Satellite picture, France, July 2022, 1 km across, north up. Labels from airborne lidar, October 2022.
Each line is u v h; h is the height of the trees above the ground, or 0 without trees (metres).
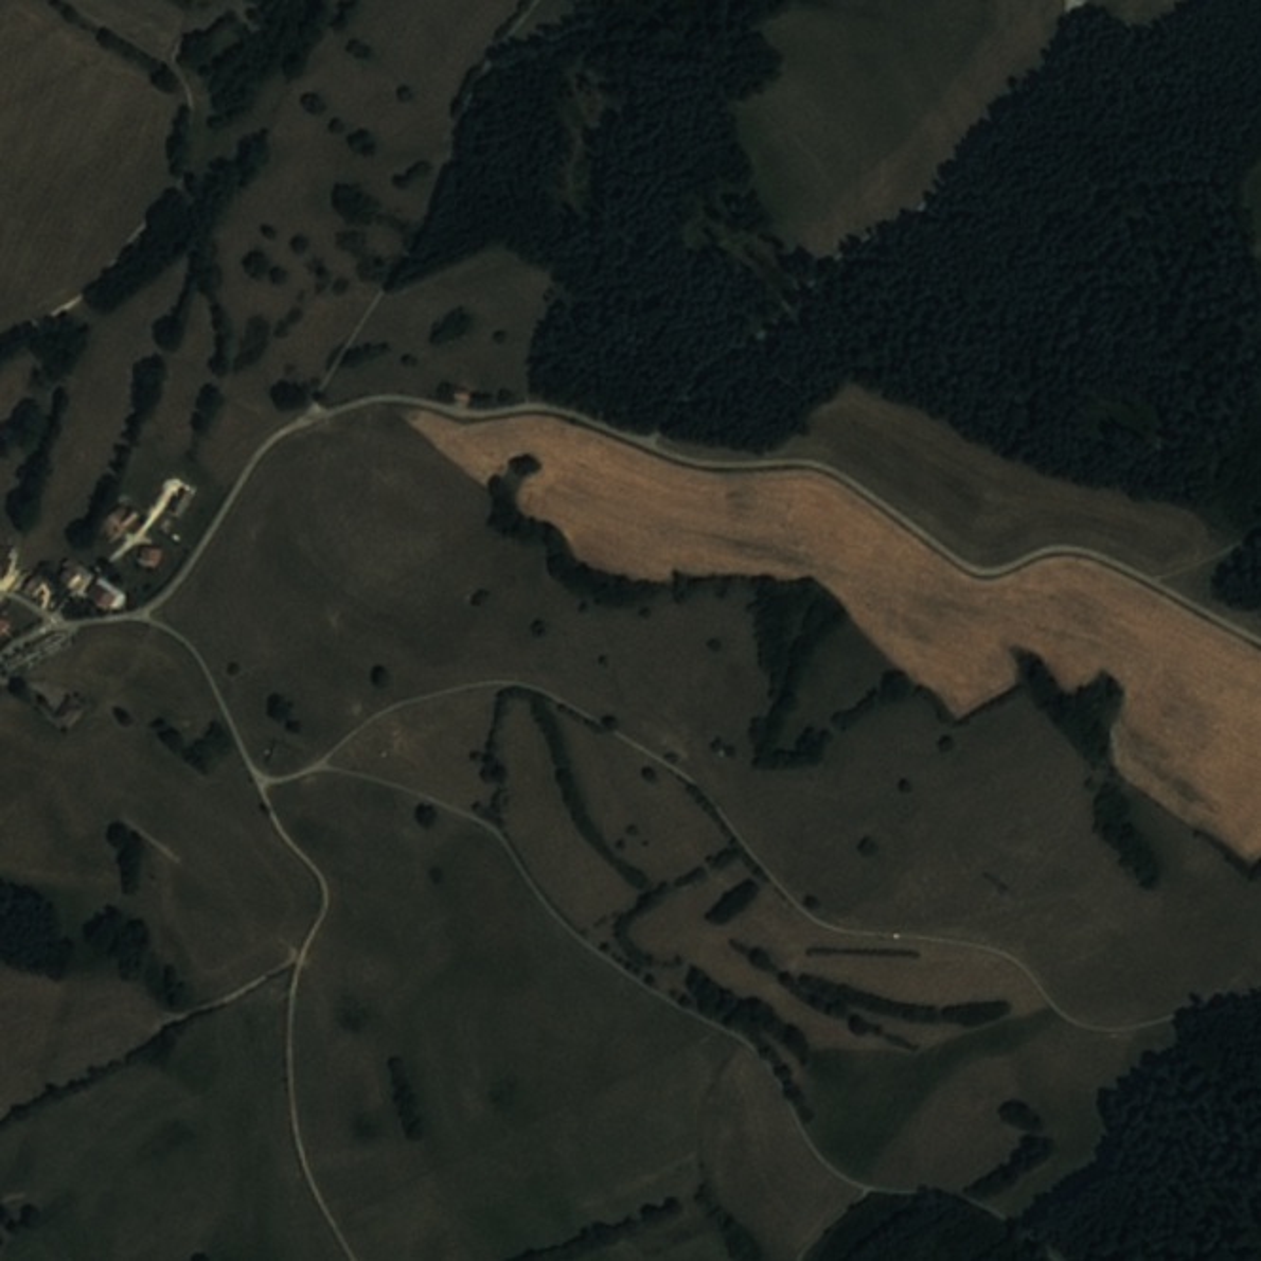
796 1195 0
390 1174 0
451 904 0
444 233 15
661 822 0
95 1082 9
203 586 0
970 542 0
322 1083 0
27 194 0
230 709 0
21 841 0
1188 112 30
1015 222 27
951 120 0
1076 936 0
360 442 0
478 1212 0
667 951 0
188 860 0
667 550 0
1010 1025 0
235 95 17
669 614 0
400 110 0
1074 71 28
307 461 0
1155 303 8
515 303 0
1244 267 24
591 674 0
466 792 0
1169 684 0
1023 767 0
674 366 18
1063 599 0
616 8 11
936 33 0
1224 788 0
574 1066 0
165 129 0
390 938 0
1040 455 24
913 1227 17
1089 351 19
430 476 0
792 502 0
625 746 0
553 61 19
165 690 0
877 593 0
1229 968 0
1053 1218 30
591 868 0
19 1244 0
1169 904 0
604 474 0
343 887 0
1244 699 0
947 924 0
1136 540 0
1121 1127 24
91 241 0
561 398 17
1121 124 27
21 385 0
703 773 0
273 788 0
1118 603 0
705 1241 0
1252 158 17
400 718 0
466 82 6
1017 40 0
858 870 0
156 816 0
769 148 0
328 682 0
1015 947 0
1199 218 8
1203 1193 28
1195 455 27
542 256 12
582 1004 0
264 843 0
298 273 0
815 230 0
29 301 0
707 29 10
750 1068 0
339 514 0
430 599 0
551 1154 0
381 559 0
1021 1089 0
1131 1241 25
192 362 0
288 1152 0
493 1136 0
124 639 0
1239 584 20
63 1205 0
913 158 0
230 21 13
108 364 0
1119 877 0
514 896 0
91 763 0
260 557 0
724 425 23
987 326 19
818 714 0
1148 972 0
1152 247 9
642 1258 0
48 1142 0
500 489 16
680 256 26
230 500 0
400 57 0
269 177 0
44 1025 0
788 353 26
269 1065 0
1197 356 20
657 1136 0
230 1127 0
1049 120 27
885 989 0
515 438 0
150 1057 7
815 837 0
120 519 0
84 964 0
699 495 0
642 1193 0
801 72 0
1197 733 0
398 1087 7
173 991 9
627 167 27
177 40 0
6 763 0
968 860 0
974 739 0
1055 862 0
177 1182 0
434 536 0
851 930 0
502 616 0
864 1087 0
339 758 0
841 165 0
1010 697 5
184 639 0
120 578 16
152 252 17
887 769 0
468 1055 0
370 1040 0
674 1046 0
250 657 0
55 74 0
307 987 0
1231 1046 13
